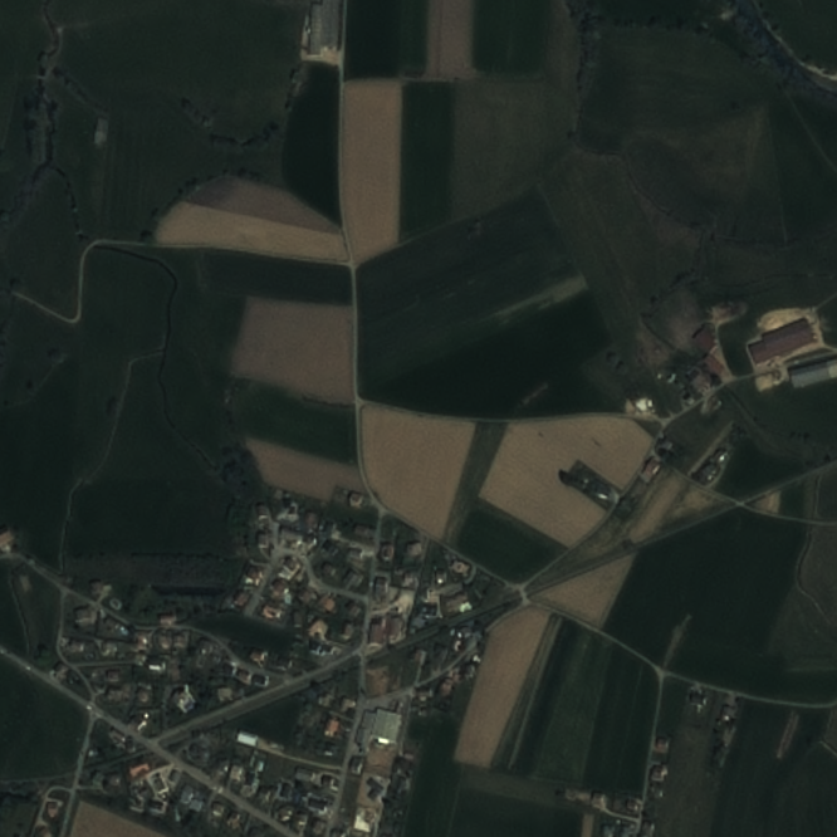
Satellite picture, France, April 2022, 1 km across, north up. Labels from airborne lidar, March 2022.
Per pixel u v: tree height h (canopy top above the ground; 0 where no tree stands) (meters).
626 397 0
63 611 0
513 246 0
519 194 0
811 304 0
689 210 0
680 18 0
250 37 0
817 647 0
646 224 0
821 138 0
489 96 0
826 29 0
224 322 0
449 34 0
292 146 0
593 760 0
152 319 0
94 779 9
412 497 0
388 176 0
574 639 0
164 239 0
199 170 0
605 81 0
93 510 0
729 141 0
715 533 0
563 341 0
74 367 0
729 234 0
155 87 0
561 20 0
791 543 0
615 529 0
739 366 0
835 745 0
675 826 0
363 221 0
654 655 0
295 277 0
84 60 0
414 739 0
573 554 0
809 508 0
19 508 0
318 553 0
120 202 0
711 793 0
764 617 0
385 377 0
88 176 0
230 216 0
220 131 0
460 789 0
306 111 0
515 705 0
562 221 0
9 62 0
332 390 0
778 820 0
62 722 0
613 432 0
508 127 0
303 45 0
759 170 0
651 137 0
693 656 0
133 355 0
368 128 0
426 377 0
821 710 0
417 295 0
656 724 0
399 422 0
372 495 0
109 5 0
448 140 0
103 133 0
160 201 0
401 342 0
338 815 0
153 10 0
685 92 0
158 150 0
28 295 0
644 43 0
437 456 0
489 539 0
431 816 0
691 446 0
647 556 0
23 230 0
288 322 0
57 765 0
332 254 0
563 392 0
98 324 0
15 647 0
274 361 0
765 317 0
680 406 0
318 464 0
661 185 0
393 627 0
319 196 0
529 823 0
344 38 0
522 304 0
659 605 0
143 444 0
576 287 0
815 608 0
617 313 0
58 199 0
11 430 0
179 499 0
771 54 9
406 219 0
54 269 0
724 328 0
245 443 0
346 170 0
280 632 0
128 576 0
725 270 0
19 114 0
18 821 0
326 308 0
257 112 0
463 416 0
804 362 0
